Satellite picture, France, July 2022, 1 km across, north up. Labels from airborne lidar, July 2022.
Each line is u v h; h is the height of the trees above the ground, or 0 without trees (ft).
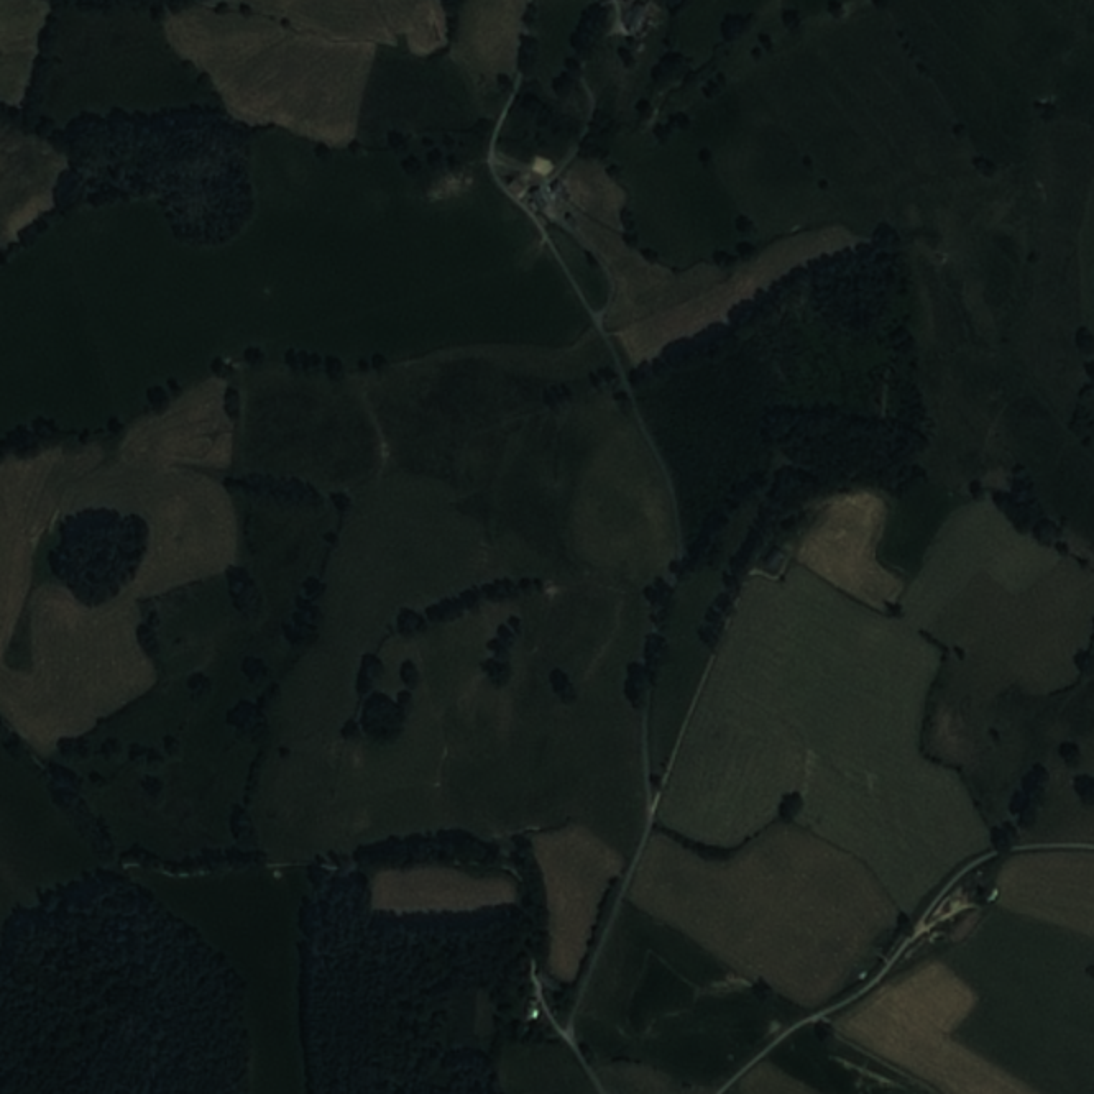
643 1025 0
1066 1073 0
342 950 69
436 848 54
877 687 0
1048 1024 0
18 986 59
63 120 0
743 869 0
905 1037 0
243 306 0
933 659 0
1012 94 0
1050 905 0
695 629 0
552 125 29
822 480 70
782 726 0
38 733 0
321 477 0
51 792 23
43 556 0
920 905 0
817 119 0
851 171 0
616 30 0
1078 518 0
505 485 0
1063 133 0
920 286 0
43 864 0
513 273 0
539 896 66
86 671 0
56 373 0
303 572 0
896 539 0
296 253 0
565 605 0
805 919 0
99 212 0
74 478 0
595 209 0
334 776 0
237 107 0
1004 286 0
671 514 0
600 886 0
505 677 73
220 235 60
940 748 0
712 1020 0
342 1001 71
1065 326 0
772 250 0
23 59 0
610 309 0
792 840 0
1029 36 0
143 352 0
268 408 0
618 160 0
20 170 0
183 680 0
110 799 0
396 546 0
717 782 0
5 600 0
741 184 0
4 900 0
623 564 0
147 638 64
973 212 0
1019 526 56
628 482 0
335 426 0
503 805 0
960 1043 0
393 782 0
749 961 0
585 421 0
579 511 0
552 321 0
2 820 0
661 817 0
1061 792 0
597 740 0
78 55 0
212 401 0
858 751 0
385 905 0
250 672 65
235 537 0
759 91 0
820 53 0
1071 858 0
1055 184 0
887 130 0
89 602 42
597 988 0
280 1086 0
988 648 0
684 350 66
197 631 0
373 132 0
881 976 0
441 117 0
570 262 0
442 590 0
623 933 0
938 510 0
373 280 0
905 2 0
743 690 0
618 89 0
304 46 0
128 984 77
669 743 0
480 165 0
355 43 0
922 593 0
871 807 0
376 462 0
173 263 0
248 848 26
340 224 0
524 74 52
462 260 0
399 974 83
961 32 0
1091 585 0
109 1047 74
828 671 0
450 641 0
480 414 0
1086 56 0
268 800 0
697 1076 0
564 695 75
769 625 0
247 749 0
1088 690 0
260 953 0
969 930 0
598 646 0
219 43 0
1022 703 0
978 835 0
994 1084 0
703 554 68
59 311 0
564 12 0
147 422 0
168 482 0
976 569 0
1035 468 0
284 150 0
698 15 0
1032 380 0
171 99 0
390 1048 59
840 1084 0
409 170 56
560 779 0
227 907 0
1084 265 0
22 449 87
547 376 0
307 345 0
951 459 0
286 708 0
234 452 0
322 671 0
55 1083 71
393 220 0
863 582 0
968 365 0
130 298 0
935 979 0
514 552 0
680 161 0
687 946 0
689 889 0
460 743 0
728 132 0
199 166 65
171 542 0
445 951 34
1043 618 0
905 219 0
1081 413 22
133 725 0
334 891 98
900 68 0
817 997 0
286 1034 0
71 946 71
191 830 0
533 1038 33
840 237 0
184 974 85
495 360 0
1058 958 0
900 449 91
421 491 0
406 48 0
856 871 0
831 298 73
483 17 0
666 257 0
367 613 0
